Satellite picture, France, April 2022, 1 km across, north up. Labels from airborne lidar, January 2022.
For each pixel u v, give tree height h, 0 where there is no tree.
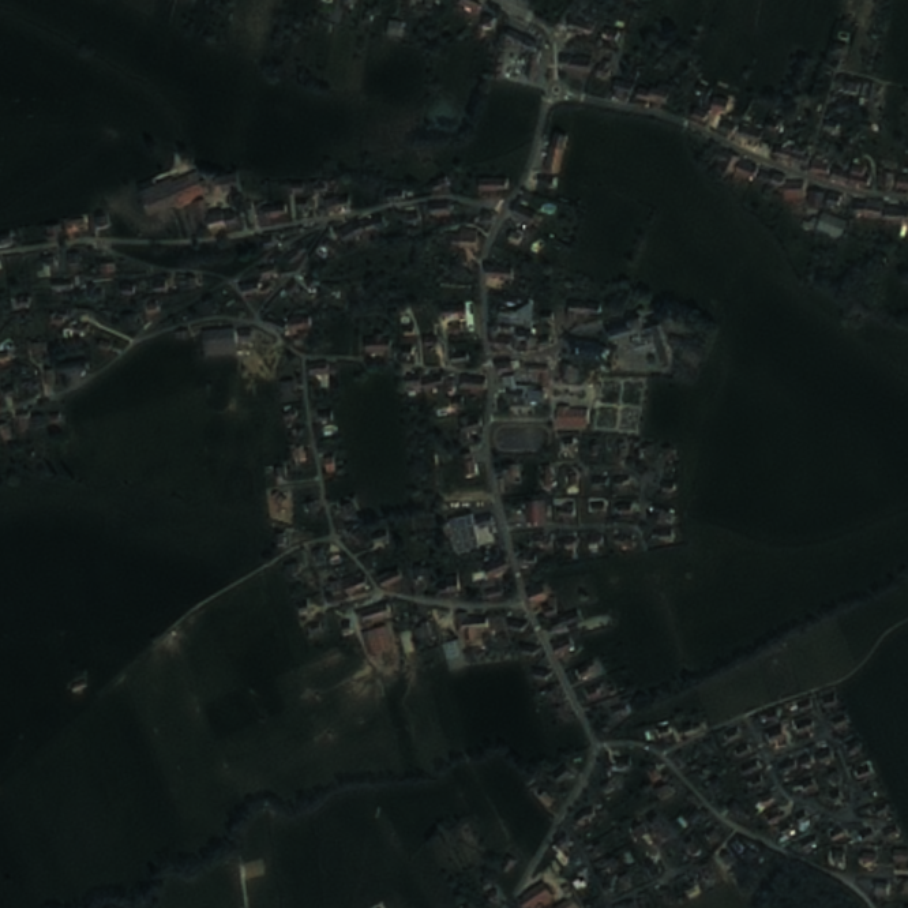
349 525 6
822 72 8
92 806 0
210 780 0
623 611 0
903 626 0
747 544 0
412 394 0
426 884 0
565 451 0
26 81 0
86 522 0
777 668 0
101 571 0
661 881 0
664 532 0
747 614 0
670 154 0
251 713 0
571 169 0
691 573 0
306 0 0
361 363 0
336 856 0
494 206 0
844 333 0
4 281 0
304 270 0
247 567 0
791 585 0
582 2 14
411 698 0
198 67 0
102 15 0
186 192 0
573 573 0
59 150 0
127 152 0
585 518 0
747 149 0
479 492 0
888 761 0
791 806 0
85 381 0
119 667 0
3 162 0
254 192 0
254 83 0
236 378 0
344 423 0
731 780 0
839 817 0
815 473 0
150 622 0
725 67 0
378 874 0
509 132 0
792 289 0
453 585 0
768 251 0
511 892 0
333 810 0
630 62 15
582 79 0
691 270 0
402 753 0
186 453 0
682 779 0
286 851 0
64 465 0
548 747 0
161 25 0
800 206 0
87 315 0
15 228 0
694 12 0
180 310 0
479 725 0
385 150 0
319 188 0
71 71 0
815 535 0
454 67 0
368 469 0
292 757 0
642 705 10
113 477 0
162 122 0
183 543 0
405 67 0
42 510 0
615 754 0
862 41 0
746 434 0
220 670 0
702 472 0
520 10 0
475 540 0
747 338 0
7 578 0
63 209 0
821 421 0
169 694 0
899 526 0
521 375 0
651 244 0
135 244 0
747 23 0
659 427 0
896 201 0
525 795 0
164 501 0
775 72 0
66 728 0
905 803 0
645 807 0
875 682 0
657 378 7
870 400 0
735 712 0
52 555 0
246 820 21
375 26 0
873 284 17
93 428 0
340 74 0
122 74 0
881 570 0
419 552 0
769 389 0
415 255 10
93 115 0
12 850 0
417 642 12
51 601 0
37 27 0
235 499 0
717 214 0
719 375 0
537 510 0
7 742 0
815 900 24
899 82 0
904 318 15
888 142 0
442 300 0
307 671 0
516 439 0
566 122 0
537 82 0
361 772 0
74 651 0
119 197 0
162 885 18
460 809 0
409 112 0
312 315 8
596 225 0
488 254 0
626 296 8
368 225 0
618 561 0
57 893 0
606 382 0
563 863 0
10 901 0
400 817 0
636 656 0
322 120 0
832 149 0
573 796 0
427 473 9
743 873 18
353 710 0
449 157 0
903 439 0
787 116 10
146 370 0
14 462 9
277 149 0
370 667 0
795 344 0
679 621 0
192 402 0
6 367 0
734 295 0
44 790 0
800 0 0
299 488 0
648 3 11
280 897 0
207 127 0
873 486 0
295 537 0
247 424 0
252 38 0
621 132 0
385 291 8
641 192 0
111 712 0
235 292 0
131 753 0
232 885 0
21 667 0
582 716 0
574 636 14
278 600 0
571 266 0
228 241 15
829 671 0
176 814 0
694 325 21
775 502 0
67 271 0
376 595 0
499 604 0
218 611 0
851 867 0
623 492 0
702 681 15
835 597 0
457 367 0
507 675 0
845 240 7
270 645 0
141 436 0
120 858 0
